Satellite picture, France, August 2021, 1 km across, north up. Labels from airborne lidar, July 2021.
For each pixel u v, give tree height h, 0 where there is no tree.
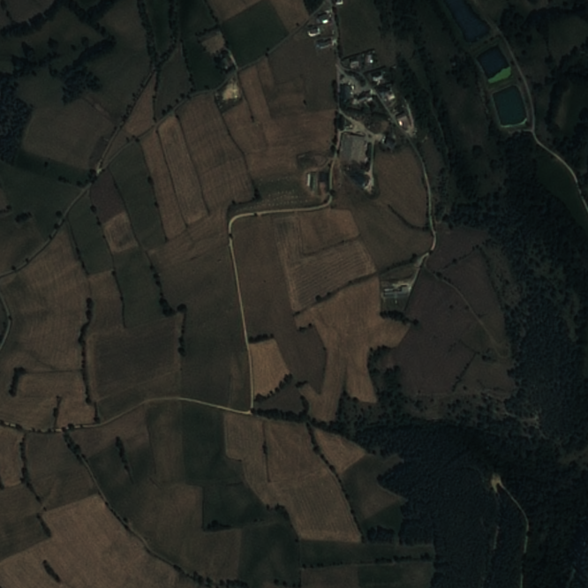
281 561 0
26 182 0
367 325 0
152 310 0
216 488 0
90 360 0
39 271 0
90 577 0
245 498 0
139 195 0
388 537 14
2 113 14
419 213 0
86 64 9
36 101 0
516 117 0
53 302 0
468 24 0
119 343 0
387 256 0
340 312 0
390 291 0
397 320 13
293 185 0
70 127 0
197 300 0
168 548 0
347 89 0
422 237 0
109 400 0
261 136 0
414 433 17
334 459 0
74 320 0
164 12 0
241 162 0
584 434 13
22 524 0
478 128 0
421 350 0
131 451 0
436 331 0
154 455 0
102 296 0
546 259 8
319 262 0
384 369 0
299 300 0
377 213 0
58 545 0
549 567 22
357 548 0
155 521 0
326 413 0
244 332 0
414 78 12
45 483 0
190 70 8
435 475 21
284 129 0
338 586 0
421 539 14
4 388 0
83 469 0
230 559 0
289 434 0
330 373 0
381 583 0
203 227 0
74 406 0
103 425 0
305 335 0
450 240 0
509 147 7
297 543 7
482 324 0
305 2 6
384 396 12
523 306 9
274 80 0
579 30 0
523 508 12
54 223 0
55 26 0
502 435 12
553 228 20
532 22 19
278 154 0
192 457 0
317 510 0
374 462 0
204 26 0
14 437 0
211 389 0
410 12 18
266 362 0
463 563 22
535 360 17
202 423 0
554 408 15
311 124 0
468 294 0
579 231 12
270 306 0
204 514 0
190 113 0
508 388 0
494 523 23
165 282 0
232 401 0
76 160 0
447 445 22
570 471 13
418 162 0
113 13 0
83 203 0
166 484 0
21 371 9
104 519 0
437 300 0
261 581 0
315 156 0
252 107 0
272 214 0
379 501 0
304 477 0
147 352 0
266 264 0
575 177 0
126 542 0
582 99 0
